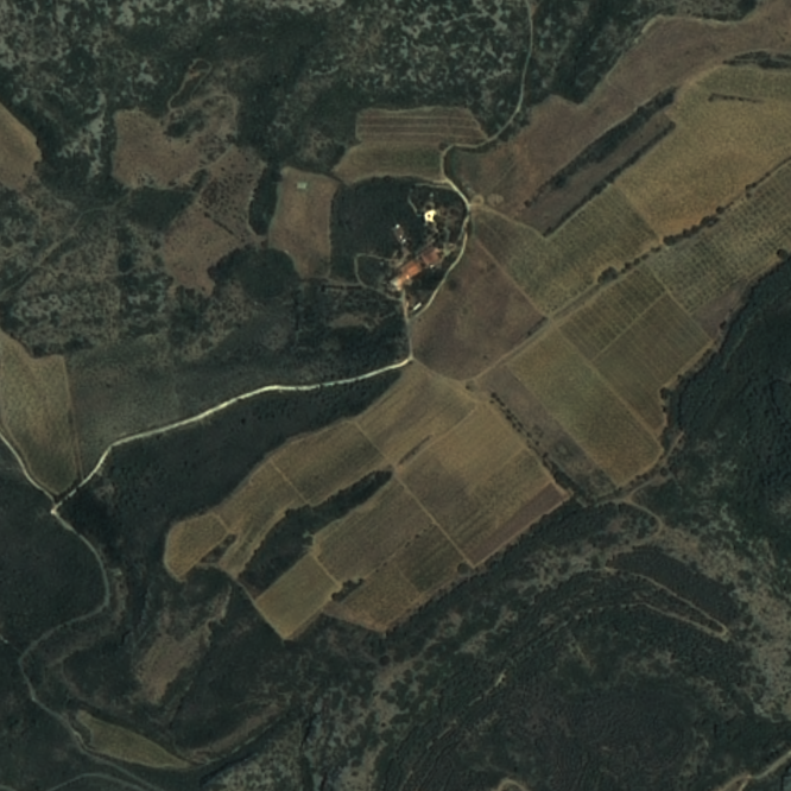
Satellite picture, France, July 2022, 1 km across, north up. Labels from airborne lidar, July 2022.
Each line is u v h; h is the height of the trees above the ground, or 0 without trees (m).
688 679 0
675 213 0
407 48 0
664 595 6
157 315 0
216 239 0
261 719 0
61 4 0
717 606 6
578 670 0
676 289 0
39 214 0
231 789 0
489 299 0
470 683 6
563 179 5
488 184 0
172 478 0
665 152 0
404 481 0
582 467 0
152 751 0
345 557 0
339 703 0
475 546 0
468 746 6
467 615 0
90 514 11
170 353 0
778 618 0
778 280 11
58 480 0
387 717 0
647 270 0
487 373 0
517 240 0
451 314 0
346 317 0
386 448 0
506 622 0
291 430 0
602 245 0
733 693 8
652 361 0
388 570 0
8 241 0
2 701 0
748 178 0
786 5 0
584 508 7
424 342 0
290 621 0
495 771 0
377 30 0
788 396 10
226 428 0
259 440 0
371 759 0
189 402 0
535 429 0
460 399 0
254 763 0
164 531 0
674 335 0
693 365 0
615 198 0
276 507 0
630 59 0
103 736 0
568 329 0
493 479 0
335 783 0
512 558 7
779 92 0
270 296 6
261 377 0
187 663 0
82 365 0
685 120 0
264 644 0
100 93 0
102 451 0
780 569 0
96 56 0
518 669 7
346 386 6
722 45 0
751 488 11
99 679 0
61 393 0
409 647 0
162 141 0
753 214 0
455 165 0
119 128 0
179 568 0
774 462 13
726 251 0
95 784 0
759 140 0
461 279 0
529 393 0
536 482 0
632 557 7
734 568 0
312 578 0
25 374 0
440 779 7
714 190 0
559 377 0
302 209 0
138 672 0
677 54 0
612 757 6
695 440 7
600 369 0
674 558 6
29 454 0
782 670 0
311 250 0
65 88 0
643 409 0
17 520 0
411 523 0
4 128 0
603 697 6
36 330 0
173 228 0
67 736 0
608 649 0
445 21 0
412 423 0
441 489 0
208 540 0
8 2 0
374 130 0
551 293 0
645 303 0
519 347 0
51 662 0
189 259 0
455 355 0
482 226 0
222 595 0
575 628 8
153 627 0
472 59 0
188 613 0
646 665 0
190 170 0
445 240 11
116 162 0
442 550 0
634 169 0
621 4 0
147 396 0
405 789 6
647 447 0
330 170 0
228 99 0
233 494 0
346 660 0
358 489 7
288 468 0
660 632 9
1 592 0
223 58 0
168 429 0
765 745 7
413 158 0
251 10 0
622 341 0
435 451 0
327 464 0
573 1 0
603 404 0
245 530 0
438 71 0
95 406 0
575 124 0
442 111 0
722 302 0
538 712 0
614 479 0
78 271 0
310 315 9
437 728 8
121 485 9
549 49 0
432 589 0
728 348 12
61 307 0
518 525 0
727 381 12
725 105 0
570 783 6
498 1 0
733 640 7
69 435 0
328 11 0
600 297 0
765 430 14
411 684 0
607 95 0
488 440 0
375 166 0
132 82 0
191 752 0
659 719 6
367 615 0
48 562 0
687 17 0
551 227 7
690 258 0
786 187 0
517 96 0
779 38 0
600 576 8
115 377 0
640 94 0
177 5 0
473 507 0
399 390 0
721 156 0
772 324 6
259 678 0
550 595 8
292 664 0
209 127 0
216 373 0
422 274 7
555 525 9
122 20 0
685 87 0
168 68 0
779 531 7
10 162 0
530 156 0
